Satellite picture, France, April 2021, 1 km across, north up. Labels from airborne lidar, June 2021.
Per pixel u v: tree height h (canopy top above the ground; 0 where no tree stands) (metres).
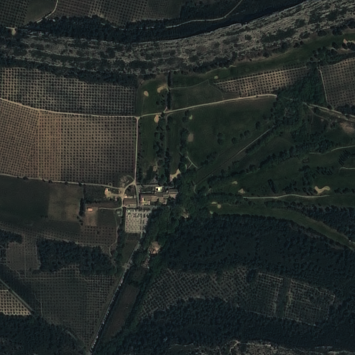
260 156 0
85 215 8
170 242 9
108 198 0
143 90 0
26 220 0
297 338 8
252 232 11
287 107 14
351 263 12
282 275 17
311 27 0
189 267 12
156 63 0
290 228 13
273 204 12
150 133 0
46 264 16
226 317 9
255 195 7
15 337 9
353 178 0
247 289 7
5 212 0
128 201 0
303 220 0
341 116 0
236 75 0
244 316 12
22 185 0
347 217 13
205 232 14
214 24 6
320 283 15
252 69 0
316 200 0
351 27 15
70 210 0
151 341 13
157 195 0
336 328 12
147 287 12
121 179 0
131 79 15
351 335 13
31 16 0
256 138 0
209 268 13
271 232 13
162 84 0
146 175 0
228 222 13
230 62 14
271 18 0
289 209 7
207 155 0
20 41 9
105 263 12
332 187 0
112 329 0
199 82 0
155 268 13
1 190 0
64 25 13
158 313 15
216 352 12
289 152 11
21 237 7
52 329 13
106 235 0
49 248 10
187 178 24
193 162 0
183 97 0
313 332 10
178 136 0
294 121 9
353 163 0
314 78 6
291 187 8
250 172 13
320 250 11
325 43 0
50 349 10
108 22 11
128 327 7
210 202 7
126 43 11
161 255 13
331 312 12
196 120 0
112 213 0
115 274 10
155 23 12
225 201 15
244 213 0
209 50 0
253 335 7
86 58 0
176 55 0
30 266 0
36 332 8
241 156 0
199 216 10
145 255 14
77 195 0
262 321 12
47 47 0
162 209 17
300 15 0
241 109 0
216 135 0
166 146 0
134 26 13
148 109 0
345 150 0
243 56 6
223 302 13
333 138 0
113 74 16
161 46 0
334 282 12
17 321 9
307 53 0
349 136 0
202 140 0
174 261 6
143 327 15
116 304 13
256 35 0
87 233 0
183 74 9
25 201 0
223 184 22
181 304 11
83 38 10
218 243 11
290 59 0
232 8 0
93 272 10
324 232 0
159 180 9
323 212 15
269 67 0
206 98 0
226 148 0
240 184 0
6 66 18
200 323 12
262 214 0
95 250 9
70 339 14
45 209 0
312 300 12
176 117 0
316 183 0
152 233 27
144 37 6
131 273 10
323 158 0
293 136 10
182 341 16
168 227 23
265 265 16
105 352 14
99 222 0
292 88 8
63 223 0
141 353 7
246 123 0
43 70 11
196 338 13
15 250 0
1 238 12
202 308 12
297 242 9
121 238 14
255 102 0
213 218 7
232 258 15
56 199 0
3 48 0
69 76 13
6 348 11
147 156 0
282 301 15
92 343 0
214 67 17
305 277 13
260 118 0
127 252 0
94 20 12
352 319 12
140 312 10
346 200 0
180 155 0
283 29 0
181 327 16
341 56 7
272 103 0
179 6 0
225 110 0
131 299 0
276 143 0
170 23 14
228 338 9
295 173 0
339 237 0
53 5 0
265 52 10
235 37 0
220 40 0
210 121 0
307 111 11
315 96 11
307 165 0
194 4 7
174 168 0
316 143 9
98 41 13
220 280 10
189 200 14
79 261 14
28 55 0
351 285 6
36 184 0
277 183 0
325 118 0
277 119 7
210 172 0
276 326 7
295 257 11
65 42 0
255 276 21
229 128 0
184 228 16
